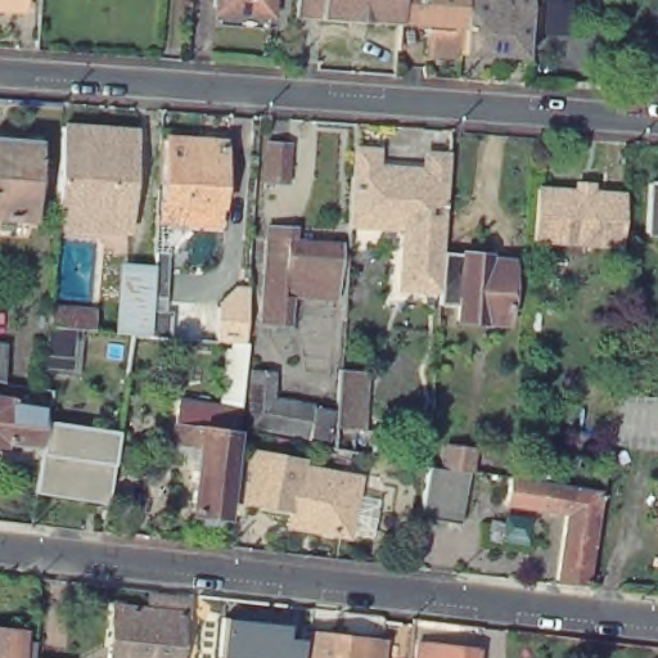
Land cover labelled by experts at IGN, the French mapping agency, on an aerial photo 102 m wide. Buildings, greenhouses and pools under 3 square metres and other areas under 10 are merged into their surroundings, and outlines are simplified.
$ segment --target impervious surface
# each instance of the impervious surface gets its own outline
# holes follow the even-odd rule
[[[190,499],[200,501],[203,450],[180,445],[180,455],[185,460],[182,483],[188,486]]]
[[[275,226],[298,226],[298,236],[306,242],[332,244],[339,244],[347,236],[347,221],[337,224],[337,231],[321,231],[308,226],[301,216],[308,206],[314,188],[319,136],[316,121],[396,129],[398,121],[434,121],[465,123],[476,129],[501,126],[517,131],[535,131],[540,136],[550,129],[571,129],[583,141],[589,141],[625,141],[658,147],[658,95],[655,105],[648,108],[630,108],[625,100],[614,111],[609,111],[589,90],[586,72],[581,69],[581,64],[586,57],[601,49],[604,36],[576,41],[571,36],[571,15],[576,10],[576,0],[537,0],[535,51],[553,49],[558,54],[558,72],[550,75],[576,80],[576,90],[571,93],[540,93],[524,85],[499,82],[488,75],[486,67],[478,59],[465,59],[463,77],[455,80],[434,80],[434,75],[427,69],[416,69],[414,59],[406,51],[401,51],[398,54],[398,72],[370,72],[329,69],[324,64],[329,62],[329,57],[319,46],[308,51],[308,64],[301,69],[298,80],[285,80],[275,69],[211,64],[213,51],[213,28],[254,28],[249,18],[244,15],[244,10],[236,10],[229,18],[213,15],[211,0],[200,0],[195,49],[190,49],[175,54],[165,49],[157,62],[152,62],[147,57],[95,57],[67,51],[54,54],[41,41],[41,46],[31,51],[15,49],[0,49],[0,100],[15,103],[23,103],[28,111],[39,111],[44,103],[67,103],[67,111],[72,113],[141,113],[144,118],[152,118],[152,113],[165,111],[221,116],[226,126],[167,121],[167,136],[206,136],[229,141],[234,165],[231,208],[226,213],[224,229],[213,234],[221,242],[218,267],[198,267],[188,272],[185,244],[195,234],[185,224],[165,226],[157,221],[154,257],[159,260],[175,254],[175,301],[180,303],[177,311],[182,319],[182,324],[175,329],[175,339],[190,347],[206,347],[218,339],[213,332],[221,326],[224,319],[218,306],[239,288],[249,288],[249,272],[244,267],[247,224],[242,224],[242,177],[244,172],[249,175],[257,165],[257,157],[252,154],[257,131],[254,121],[272,121],[272,139],[280,144],[293,139],[298,141],[296,177],[290,182],[262,182],[267,193],[275,193],[275,200],[262,206],[262,216],[272,218]]]
[[[95,311],[98,321],[105,319],[100,303],[103,262],[105,257],[129,254],[129,244],[116,234],[103,234],[93,244],[93,298],[75,301],[75,306]]]
[[[275,373],[278,398],[314,404],[321,409],[337,409],[337,401],[329,396],[334,393],[334,375],[344,368],[344,334],[347,296],[342,293],[332,301],[308,298],[303,303],[301,326],[272,324],[270,332],[257,334],[260,285],[249,288],[249,368]]]
[[[39,226],[23,218],[18,226],[0,226],[0,239],[21,242],[39,229]]]
[[[362,147],[380,149],[383,162],[396,167],[422,167],[440,152],[452,154],[452,131],[396,129],[391,139],[362,139]]]
[[[57,581],[67,586],[82,586],[80,576],[93,576],[100,583],[116,583],[121,578],[126,583],[195,589],[195,596],[198,612],[193,612],[190,607],[182,609],[188,635],[195,640],[193,658],[221,658],[226,650],[231,619],[288,625],[296,630],[296,640],[311,640],[316,632],[393,640],[393,658],[414,658],[416,643],[460,645],[478,650],[491,648],[488,658],[506,658],[506,632],[458,625],[460,619],[486,619],[494,625],[509,625],[511,630],[545,627],[583,632],[619,635],[627,640],[630,648],[645,648],[648,658],[658,658],[658,594],[630,591],[607,591],[601,583],[594,586],[563,583],[563,578],[555,578],[555,545],[545,532],[532,529],[537,517],[535,511],[509,511],[504,501],[491,504],[491,488],[499,483],[499,476],[478,473],[476,468],[463,509],[468,514],[468,522],[437,524],[434,527],[434,545],[424,545],[427,560],[416,573],[396,578],[386,576],[373,563],[344,560],[342,555],[314,555],[311,542],[319,537],[311,532],[298,532],[303,550],[290,555],[272,555],[260,542],[267,535],[267,529],[278,522],[278,517],[288,517],[290,514],[283,509],[280,514],[275,514],[270,509],[249,506],[242,499],[242,504],[236,506],[239,522],[226,527],[226,550],[195,553],[185,545],[165,545],[159,535],[95,532],[93,519],[100,517],[98,504],[80,504],[85,517],[82,529],[54,527],[51,540],[0,532],[0,573],[23,576],[28,571],[44,571],[49,583]],[[499,542],[524,545],[529,540],[545,547],[542,555],[527,560],[501,558]],[[234,599],[226,599],[229,594],[283,596],[298,604],[293,609],[236,607]],[[350,604],[352,612],[368,612],[375,601],[380,612],[409,614],[409,625],[386,617],[375,617],[375,622],[337,619],[337,609],[329,609],[329,601]]]
[[[357,468],[355,458],[350,450],[334,450],[334,458],[326,460],[326,468],[360,476],[362,470]]]
[[[414,488],[401,483],[398,478],[370,476],[370,488],[365,488],[362,496],[378,501],[380,517],[388,511],[396,511],[398,519],[409,517],[409,509],[414,504]]]
[[[404,296],[404,257],[398,257],[396,252],[393,257],[391,293],[386,301],[398,306],[409,301]]]

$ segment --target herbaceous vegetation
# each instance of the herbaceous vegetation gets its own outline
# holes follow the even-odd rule
[[[57,33],[72,41],[134,41],[139,46],[159,44],[165,49],[175,54],[190,49],[190,28],[182,23],[182,15],[190,13],[193,0],[44,0],[41,18],[51,15],[51,26],[57,28]]]
[[[254,28],[213,28],[213,51],[265,57],[262,46],[270,41],[270,28],[280,31],[288,23],[288,15],[285,8],[275,5],[272,15],[260,15],[252,10],[249,18]]]
[[[658,147],[625,141],[589,141],[586,157],[578,165],[573,165],[573,170],[565,177],[545,177],[547,188],[576,188],[591,182],[599,190],[622,193],[622,177],[630,167],[648,170],[650,182],[658,182]]]
[[[54,527],[82,529],[85,517],[80,504],[51,499],[54,504],[49,506],[49,519],[44,524]]]
[[[622,404],[604,401],[601,393],[594,393],[591,388],[586,398],[565,404],[568,414],[573,416],[565,422],[581,424],[578,447],[591,440],[591,429],[596,427],[596,419],[601,414],[619,414]]]
[[[226,368],[229,344],[218,339],[206,347],[190,347],[185,370],[190,380],[177,388],[182,401],[211,404],[213,398],[211,393],[198,391],[200,380],[213,365],[221,370]]]
[[[0,239],[0,254],[13,262],[23,262],[31,272],[41,270],[39,285],[33,285],[26,298],[26,326],[13,326],[5,319],[5,314],[0,314],[0,344],[8,344],[8,383],[0,383],[0,396],[13,396],[23,404],[44,406],[49,409],[51,422],[90,427],[90,411],[100,411],[103,401],[116,401],[118,422],[131,419],[131,427],[139,432],[154,427],[159,411],[141,398],[141,383],[131,378],[131,373],[123,370],[126,362],[121,360],[108,360],[105,352],[108,344],[123,347],[129,344],[129,334],[118,329],[121,267],[152,265],[154,257],[157,221],[157,213],[162,211],[165,200],[159,149],[165,147],[167,136],[167,121],[226,126],[221,116],[165,111],[152,113],[152,118],[144,118],[141,113],[72,113],[67,111],[67,103],[44,103],[39,111],[44,116],[41,121],[33,121],[31,126],[13,126],[5,118],[15,103],[0,100],[0,136],[46,141],[44,208],[59,200],[57,180],[62,126],[90,123],[139,129],[141,190],[136,224],[144,229],[144,234],[141,239],[129,236],[129,244],[129,254],[105,257],[103,262],[100,303],[105,319],[98,321],[98,329],[87,334],[82,365],[77,368],[69,383],[64,398],[57,401],[46,391],[33,393],[26,383],[26,365],[33,350],[33,337],[44,332],[44,316],[54,314],[54,306],[59,254],[62,236],[57,231],[44,234],[39,229],[21,242]]]
[[[152,360],[144,357],[157,347],[157,342],[136,339],[134,370],[147,370]]]
[[[571,488],[599,491],[607,496],[591,573],[594,586],[601,583],[609,553],[627,535],[637,535],[643,540],[643,550],[627,560],[625,576],[645,576],[658,581],[658,452],[619,445],[622,483],[612,486],[609,481],[594,478],[571,478],[568,483]]]
[[[476,458],[476,468],[478,473],[499,476],[509,478],[506,465],[491,463],[481,455]]]
[[[648,10],[640,18],[640,23],[630,26],[625,33],[630,46],[637,46],[640,39],[648,39],[653,46],[650,54],[658,54],[658,8],[653,13]]]
[[[573,645],[571,637],[532,637],[524,632],[506,632],[506,658],[648,658],[645,648],[630,648],[627,640],[619,635],[583,632],[583,640]]]
[[[583,370],[589,365],[594,344],[601,339],[601,329],[607,329],[607,319],[594,321],[591,314],[596,306],[607,303],[607,293],[612,290],[607,280],[596,275],[599,270],[589,265],[591,249],[558,247],[553,249],[555,275],[563,283],[578,288],[576,308],[563,311],[547,306],[540,314],[535,314],[532,329],[517,326],[496,329],[494,334],[488,334],[463,319],[463,303],[447,298],[442,303],[437,303],[434,298],[424,303],[409,301],[398,306],[386,301],[391,293],[393,257],[375,260],[368,254],[368,249],[360,249],[355,244],[347,252],[347,296],[344,334],[362,334],[368,342],[373,337],[386,337],[388,347],[396,355],[404,360],[414,360],[419,365],[427,352],[427,316],[434,316],[440,321],[447,321],[450,329],[460,332],[458,344],[465,344],[468,337],[476,339],[470,350],[476,355],[470,370],[465,370],[458,362],[452,362],[450,368],[429,365],[427,386],[434,383],[432,424],[442,445],[476,447],[470,434],[478,427],[481,414],[504,411],[509,419],[514,419],[519,414],[517,396],[522,396],[522,375],[517,370],[501,370],[501,352],[514,350],[519,357],[527,347],[540,342],[545,350],[550,350],[550,368]]]
[[[311,542],[314,555],[342,555],[342,550],[350,542],[319,537]]]
[[[370,72],[398,72],[398,54],[391,49],[396,26],[365,21],[319,21],[316,28],[308,31],[308,51],[319,46],[329,57],[329,62],[324,64],[329,69]]]
[[[362,139],[391,139],[396,129],[316,121],[319,136],[314,188],[308,206],[301,216],[308,226],[321,231],[337,231],[337,224],[347,221],[355,175],[355,149],[362,147]]]
[[[630,224],[627,239],[619,242],[625,247],[625,257],[632,265],[632,285],[643,290],[645,308],[650,319],[658,321],[658,239],[650,239],[645,234],[645,224]]]
[[[272,139],[272,121],[254,121],[257,131],[252,154],[257,157],[257,165],[249,175],[244,172],[242,177],[242,224],[247,224],[244,267],[249,272],[249,288],[260,285],[262,216],[262,206],[275,200],[275,193],[267,193],[262,182],[265,144]]]
[[[18,609],[28,599],[39,599],[39,581],[23,576],[0,573],[0,627],[28,632],[33,625],[26,612]]]
[[[452,182],[458,182],[460,193],[470,195],[476,188],[481,144],[488,136],[501,136],[504,157],[499,203],[509,216],[524,216],[527,208],[527,157],[532,154],[532,141],[537,141],[540,136],[535,131],[517,131],[501,126],[476,129],[465,123],[434,121],[398,121],[396,129],[452,131],[452,154]]]
[[[21,26],[13,15],[0,13],[0,49],[15,49],[21,44]]]
[[[149,601],[139,594],[126,594],[126,583],[121,578],[116,583],[100,583],[93,576],[80,576],[82,586],[108,604],[147,607]]]
[[[67,634],[64,650],[80,658],[105,658],[105,619],[96,619],[85,631]]]
[[[463,77],[465,59],[432,62],[427,62],[427,69],[434,75],[434,80],[455,80]]]

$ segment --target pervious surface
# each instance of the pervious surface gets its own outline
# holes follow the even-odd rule
[[[80,658],[64,650],[67,634],[59,614],[51,607],[64,604],[67,586],[57,581],[49,583],[46,630],[49,645],[39,650],[39,658]]]
[[[41,41],[41,18],[44,0],[33,0],[31,13],[13,15],[21,26],[21,44],[15,49],[31,51],[41,46]]]
[[[0,522],[0,532],[51,540],[54,527],[44,524]]]
[[[337,619],[375,622],[375,617],[386,617],[409,625],[409,614],[380,612],[375,601],[368,612],[352,612],[350,604],[329,601],[329,609],[337,609]]]
[[[234,599],[236,607],[293,609],[298,604],[283,596],[229,594],[226,599]]]
[[[380,416],[398,419],[406,411],[422,414],[432,424],[434,383],[427,386],[419,383],[419,365],[414,360],[404,360],[396,355],[391,368],[377,375],[374,429]]]
[[[406,51],[414,59],[416,69],[427,69],[427,62],[432,62],[429,41],[419,26],[404,28],[401,51]]]
[[[167,504],[172,476],[165,470],[149,486],[152,511],[162,511]]]
[[[583,640],[583,632],[545,627],[511,630],[509,625],[494,625],[486,619],[460,619],[458,625],[506,632],[524,632],[532,637],[571,637],[573,645]]]
[[[139,594],[149,601],[157,594],[195,596],[195,589],[126,583],[126,594]]]
[[[601,583],[607,591],[630,591],[625,586],[625,576],[627,560],[643,550],[643,540],[637,535],[627,535],[609,553]]]
[[[504,157],[501,136],[488,136],[481,144],[476,188],[470,195],[460,193],[458,182],[452,182],[447,252],[494,252],[499,257],[511,260],[522,257],[524,244],[524,216],[509,216],[499,203]]]

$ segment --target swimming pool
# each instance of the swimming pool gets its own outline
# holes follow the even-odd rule
[[[93,244],[69,242],[59,254],[54,306],[75,306],[75,301],[93,298]]]
[[[105,352],[108,360],[121,360],[123,347],[108,344]]]
[[[213,234],[195,234],[185,244],[188,272],[198,267],[218,267],[221,242]]]

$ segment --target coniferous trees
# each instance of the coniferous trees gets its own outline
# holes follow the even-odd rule
[[[416,573],[427,560],[424,545],[434,545],[434,527],[429,522],[409,517],[398,519],[396,511],[388,511],[380,517],[380,537],[368,540],[373,547],[373,563],[386,576],[396,578]]]

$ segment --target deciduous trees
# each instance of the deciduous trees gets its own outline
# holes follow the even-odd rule
[[[44,116],[39,111],[28,111],[23,103],[15,103],[5,118],[13,126],[31,126],[33,121],[41,121]]]
[[[49,344],[54,332],[44,332],[33,337],[33,350],[26,365],[26,383],[33,393],[46,391],[57,401],[64,398],[69,383],[57,380],[57,375],[46,375]]]
[[[59,254],[69,242],[64,236],[64,208],[59,200],[44,208],[39,226],[39,229],[44,234],[57,231],[62,236]]]
[[[648,170],[630,167],[622,177],[622,193],[630,198],[630,224],[645,224],[645,190],[650,182]]]
[[[576,308],[578,288],[563,283],[555,275],[553,249],[558,247],[550,242],[524,244],[522,257],[527,275],[527,296],[517,326],[532,329],[535,314],[540,314],[547,306],[563,311]]]
[[[111,504],[98,504],[100,517],[93,519],[95,532],[159,535],[165,545],[185,545],[195,553],[226,550],[226,527],[198,522],[195,517],[180,517],[180,509],[190,499],[188,486],[182,483],[185,460],[180,455],[180,445],[172,419],[172,404],[182,401],[177,388],[190,380],[185,370],[190,347],[175,339],[157,342],[157,347],[144,357],[152,360],[147,370],[134,370],[131,373],[131,378],[141,383],[141,398],[159,411],[154,427],[139,432],[131,427],[131,419],[118,422],[116,401],[103,401],[100,411],[90,411],[90,427],[123,432],[116,494]],[[167,504],[162,511],[152,511],[149,486],[165,470],[172,476]]]
[[[82,586],[67,586],[64,604],[51,607],[59,614],[67,634],[85,631],[96,619],[105,619],[108,604]]]
[[[527,157],[527,208],[537,203],[537,190],[547,188],[545,177],[565,177],[573,170],[573,165],[578,165],[586,157],[589,141],[583,141],[571,129],[550,129],[540,136],[537,141],[532,141],[532,154]]]
[[[386,337],[373,337],[368,342],[362,334],[344,334],[344,368],[377,375],[391,368],[396,355],[388,347]]]
[[[506,465],[509,478],[514,483],[522,478],[568,483],[571,478],[594,478],[609,481],[612,486],[622,483],[619,445],[619,414],[601,414],[596,419],[596,427],[591,429],[591,440],[578,447],[581,424],[565,422],[573,416],[568,414],[565,404],[586,398],[591,388],[594,393],[601,393],[604,401],[622,404],[632,396],[658,398],[658,321],[650,319],[645,308],[643,290],[632,285],[632,265],[625,257],[625,247],[619,242],[609,244],[607,249],[591,249],[589,265],[599,270],[596,275],[607,280],[612,290],[607,293],[607,303],[596,306],[591,314],[594,321],[607,319],[607,329],[601,329],[601,339],[594,344],[589,365],[583,370],[550,368],[550,350],[545,350],[540,342],[527,347],[519,357],[514,350],[501,352],[501,370],[517,370],[522,375],[522,396],[517,396],[519,414],[514,419],[509,419],[504,411],[481,414],[478,427],[470,434],[476,447],[481,455],[491,463]]]
[[[650,54],[653,46],[648,39],[640,39],[637,46],[630,46],[625,33],[630,26],[640,23],[640,18],[648,10],[653,13],[658,8],[658,0],[576,0],[576,10],[571,15],[571,36],[576,41],[604,36],[601,49],[586,57],[581,64],[581,69],[586,72],[589,90],[609,111],[614,111],[625,100],[630,108],[648,108],[655,105],[658,95],[658,54]]]
[[[558,72],[558,54],[553,49],[535,51],[535,57],[527,62],[496,59],[486,67],[488,75],[499,82],[524,85],[524,75],[529,67],[535,67],[537,75],[550,75]]]
[[[476,355],[470,350],[476,339],[468,337],[465,344],[458,344],[450,347],[445,357],[432,360],[429,365],[450,368],[452,362],[458,362],[465,370],[470,370]]]
[[[326,468],[326,460],[334,458],[334,450],[332,442],[321,445],[319,440],[303,437],[278,442],[275,434],[260,432],[257,427],[247,432],[247,445],[254,452],[280,452],[290,458],[303,458],[316,468]]]
[[[375,260],[393,257],[396,252],[398,242],[391,234],[383,234],[375,244],[368,244],[368,249],[368,254]]]
[[[224,401],[224,393],[229,391],[226,368],[221,370],[213,365],[200,380],[198,391],[211,393],[213,398]]]
[[[13,326],[26,326],[26,298],[33,285],[39,285],[41,270],[31,272],[23,262],[13,262],[0,254],[0,314],[5,314],[5,319]]]
[[[414,504],[409,509],[409,517],[429,522],[434,527],[437,524],[437,509],[422,504],[422,488],[424,473],[432,470],[442,445],[432,424],[422,414],[406,411],[398,419],[380,416],[374,429],[373,452],[355,458],[357,468],[362,470],[360,476],[370,476],[398,478],[401,483],[414,488]]]
[[[265,57],[278,64],[275,69],[285,80],[298,80],[301,69],[308,64],[308,51],[308,31],[298,15],[288,15],[288,23],[280,31],[270,28],[270,41],[262,46]]]
[[[36,494],[39,460],[33,455],[23,450],[8,450],[0,455],[0,522],[44,524],[49,519],[49,506],[54,504],[51,499]]]

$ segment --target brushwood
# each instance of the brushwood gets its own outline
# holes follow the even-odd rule
[[[182,23],[190,28],[190,49],[195,49],[200,0],[193,0],[190,13],[182,15]]]
[[[524,85],[540,93],[571,93],[576,90],[576,80],[550,75],[537,75],[535,67],[529,67],[524,75]]]
[[[373,563],[373,547],[368,540],[350,542],[342,550],[342,555],[344,560]]]
[[[165,49],[159,44],[139,46],[134,41],[72,41],[57,33],[57,28],[51,26],[51,15],[41,18],[41,41],[54,54],[67,51],[95,57],[147,57],[152,62],[157,62]]]
[[[211,64],[275,69],[278,64],[265,57],[213,51]]]
[[[460,332],[450,329],[447,321],[440,321],[434,326],[432,360],[445,357],[450,347],[458,344]]]
[[[630,591],[658,594],[658,581],[645,576],[625,576],[625,586]]]
[[[39,581],[39,599],[28,599],[18,609],[26,612],[33,625],[41,625],[46,630],[49,583],[44,571],[28,571],[23,576]]]
[[[527,560],[542,555],[545,547],[529,540],[524,545],[499,542],[501,558]]]
[[[303,550],[298,532],[288,529],[288,517],[278,517],[278,522],[267,529],[267,535],[260,542],[272,555],[290,555]]]

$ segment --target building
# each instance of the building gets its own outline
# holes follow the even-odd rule
[[[195,596],[157,594],[149,601],[147,607],[108,604],[105,619],[105,658],[193,658],[195,640],[188,635],[182,609],[190,607],[193,612],[198,612]]]
[[[136,224],[141,190],[139,129],[90,123],[62,126],[57,180],[59,200],[64,208],[64,236],[69,242],[93,244],[103,234],[116,234],[129,244],[129,236],[141,239],[144,234],[144,229]]]
[[[619,242],[627,239],[630,224],[630,198],[622,193],[599,190],[591,182],[576,188],[547,188],[537,190],[537,203],[527,208],[524,216],[524,244],[550,242],[558,247],[591,249],[607,249],[609,244]]]
[[[8,450],[23,450],[33,455],[39,460],[36,494],[51,499],[80,504],[98,504],[111,504],[116,494],[123,432],[90,427],[51,422],[49,409],[44,406],[23,404],[13,396],[0,396],[0,455]]]
[[[195,517],[198,522],[226,527],[239,522],[236,506],[242,504],[242,499],[249,506],[270,509],[275,514],[280,514],[283,509],[290,514],[288,517],[288,529],[298,532],[311,532],[319,537],[350,542],[368,540],[380,537],[380,517],[378,501],[362,496],[365,488],[370,488],[370,476],[360,476],[326,468],[316,468],[303,458],[290,458],[280,452],[254,452],[247,445],[247,432],[257,427],[260,432],[275,434],[278,442],[303,437],[319,440],[321,445],[332,442],[334,450],[350,450],[355,458],[373,452],[374,429],[377,375],[344,368],[334,375],[334,393],[329,396],[337,401],[337,409],[321,409],[314,404],[278,398],[275,373],[249,368],[249,288],[239,288],[218,306],[224,319],[221,326],[213,332],[218,339],[229,344],[226,368],[229,391],[224,393],[224,401],[213,398],[211,404],[182,401],[172,404],[172,419],[180,445],[203,450],[200,501],[190,499],[180,509],[180,517]]]
[[[182,324],[182,319],[177,311],[180,303],[175,301],[175,254],[159,260],[154,257],[152,265],[121,267],[118,329],[129,334],[129,344],[123,347],[121,360],[126,362],[123,370],[131,373],[134,370],[136,339],[157,342],[175,339],[175,329]]]
[[[401,51],[404,28],[419,26],[429,41],[432,62],[465,59],[478,59],[486,67],[496,59],[527,62],[535,57],[535,51],[537,0],[211,0],[213,15],[229,18],[236,10],[244,10],[244,15],[249,18],[252,10],[260,15],[272,15],[275,5],[285,8],[288,15],[298,15],[308,31],[316,28],[319,21],[365,21],[396,26],[391,49],[398,54]]]
[[[442,445],[432,470],[424,473],[422,488],[422,504],[437,509],[437,524],[468,522],[468,514],[463,509],[476,468],[476,458],[481,455],[476,447]]]
[[[658,398],[632,396],[622,404],[619,414],[619,445],[658,452]]]
[[[645,190],[645,224],[645,234],[650,239],[658,239],[658,182],[650,182]]]
[[[478,650],[460,645],[416,643],[414,658],[488,658],[491,648]]]
[[[393,640],[316,632],[311,640],[296,640],[296,630],[288,625],[231,619],[226,650],[221,658],[393,658]]]
[[[229,141],[206,136],[167,136],[165,147],[159,149],[165,200],[162,211],[157,213],[157,221],[165,226],[185,224],[195,234],[213,234],[224,229],[226,213],[231,208],[234,165]]]
[[[607,496],[599,491],[571,488],[568,483],[522,478],[514,483],[509,478],[499,476],[499,483],[491,488],[491,504],[504,501],[509,511],[535,511],[537,517],[532,529],[545,532],[555,545],[555,578],[563,578],[563,583],[594,586],[591,573]]]
[[[0,627],[0,658],[39,658],[39,650],[49,645],[46,630],[41,625],[33,625],[28,632]]]
[[[0,344],[0,383],[8,383],[8,344]]]
[[[362,147],[355,149],[355,175],[347,221],[347,236],[339,244],[332,244],[306,242],[298,236],[298,226],[275,226],[272,218],[262,216],[260,285],[257,334],[270,332],[272,324],[301,326],[303,303],[308,298],[332,301],[342,293],[347,296],[347,252],[355,244],[360,249],[368,249],[368,244],[375,244],[383,234],[391,234],[398,242],[396,252],[398,257],[404,257],[404,296],[409,301],[424,303],[434,298],[437,303],[442,303],[447,298],[463,303],[463,319],[488,334],[494,334],[496,329],[517,326],[527,296],[527,275],[522,257],[511,260],[499,257],[494,252],[447,252],[452,182],[452,154],[440,152],[422,167],[396,167],[383,162],[380,149]]]
[[[23,218],[39,226],[44,208],[46,141],[0,136],[0,226],[18,226]]]
[[[280,144],[272,139],[265,144],[262,182],[290,182],[296,177],[298,141],[293,139]]]
[[[98,321],[95,311],[75,306],[54,306],[54,314],[44,316],[44,332],[54,332],[49,344],[46,375],[57,375],[57,380],[69,383],[77,368],[82,365],[87,334],[98,329]]]
[[[0,13],[13,15],[31,13],[33,0],[0,0]]]

